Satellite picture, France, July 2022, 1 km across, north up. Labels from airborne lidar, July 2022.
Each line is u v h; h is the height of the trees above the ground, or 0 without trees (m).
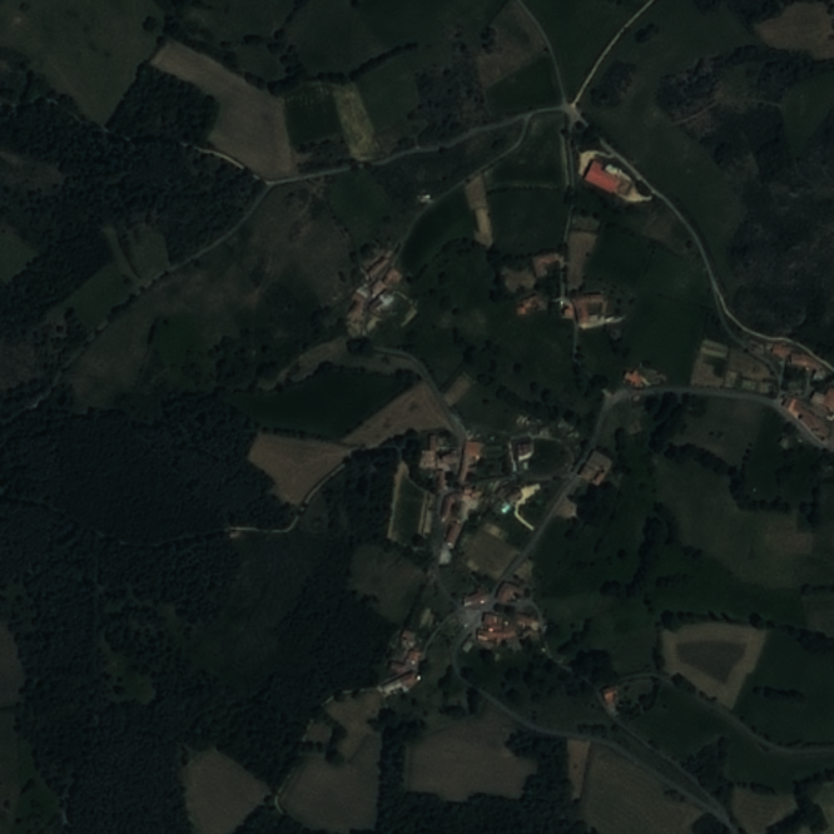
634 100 0
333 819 0
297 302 0
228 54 7
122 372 0
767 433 0
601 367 0
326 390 0
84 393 0
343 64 0
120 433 18
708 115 0
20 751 0
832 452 7
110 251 7
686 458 17
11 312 12
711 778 7
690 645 0
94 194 10
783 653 0
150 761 23
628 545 0
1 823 0
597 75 0
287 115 0
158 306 0
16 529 19
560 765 13
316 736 0
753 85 0
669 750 0
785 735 0
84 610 21
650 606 10
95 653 20
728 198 0
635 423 0
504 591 0
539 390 9
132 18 0
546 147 0
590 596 0
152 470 19
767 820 0
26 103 13
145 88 11
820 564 0
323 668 12
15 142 9
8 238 0
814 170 0
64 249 11
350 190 0
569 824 11
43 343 8
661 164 0
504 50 0
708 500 0
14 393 11
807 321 7
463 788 0
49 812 0
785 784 0
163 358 0
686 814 0
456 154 0
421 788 0
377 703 0
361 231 0
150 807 25
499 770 0
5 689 0
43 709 12
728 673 0
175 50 0
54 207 5
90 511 17
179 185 11
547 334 0
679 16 0
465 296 0
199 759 0
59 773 8
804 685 0
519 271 7
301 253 0
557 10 0
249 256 0
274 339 0
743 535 0
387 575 0
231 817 0
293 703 10
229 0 0
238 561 17
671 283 0
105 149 24
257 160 0
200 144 11
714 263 0
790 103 0
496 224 0
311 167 0
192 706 17
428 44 0
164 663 17
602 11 0
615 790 0
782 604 0
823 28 0
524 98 0
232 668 0
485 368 0
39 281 9
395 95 0
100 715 23
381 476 6
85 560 26
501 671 0
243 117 0
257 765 11
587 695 15
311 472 0
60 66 0
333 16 0
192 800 0
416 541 14
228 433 16
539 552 0
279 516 17
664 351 0
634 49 0
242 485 18
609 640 0
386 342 0
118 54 0
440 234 0
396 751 17
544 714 0
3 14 0
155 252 0
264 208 0
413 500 0
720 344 0
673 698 0
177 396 10
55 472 18
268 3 0
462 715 19
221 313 0
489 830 18
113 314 11
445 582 0
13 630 8
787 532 0
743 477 14
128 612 19
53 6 0
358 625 10
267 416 0
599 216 10
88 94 0
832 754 0
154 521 17
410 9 0
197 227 9
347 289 0
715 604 0
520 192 0
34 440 19
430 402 0
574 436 0
